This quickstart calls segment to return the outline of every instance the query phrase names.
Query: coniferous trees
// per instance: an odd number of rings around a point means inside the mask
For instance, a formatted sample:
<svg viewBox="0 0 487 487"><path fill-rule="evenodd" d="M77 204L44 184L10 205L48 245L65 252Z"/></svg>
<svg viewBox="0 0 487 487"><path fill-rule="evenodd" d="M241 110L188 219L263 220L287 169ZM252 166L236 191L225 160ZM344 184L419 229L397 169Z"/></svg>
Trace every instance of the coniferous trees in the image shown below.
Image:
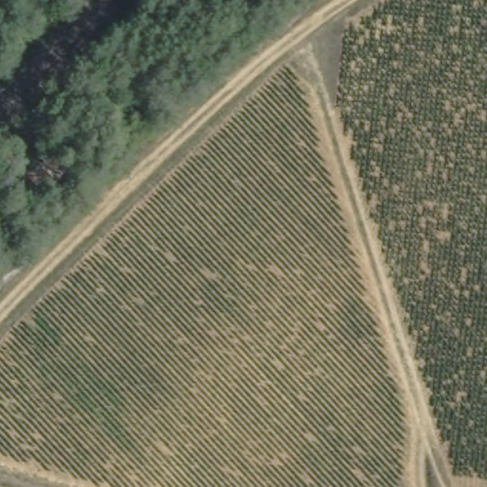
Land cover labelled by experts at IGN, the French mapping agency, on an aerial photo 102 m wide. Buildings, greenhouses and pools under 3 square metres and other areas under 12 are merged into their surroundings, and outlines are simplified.
<svg viewBox="0 0 487 487"><path fill-rule="evenodd" d="M82 219L103 200L105 192L118 181L129 177L135 166L154 150L154 146L160 145L196 108L202 107L213 93L223 88L230 76L234 76L240 68L245 67L274 40L282 38L285 32L301 25L302 21L318 10L325 0L145 0L139 6L139 15L131 17L127 23L120 23L118 27L114 27L112 34L105 36L103 44L89 42L84 48L84 57L67 61L65 70L57 72L55 80L46 82L46 91L40 97L42 101L32 101L32 107L25 120L21 116L10 118L8 112L0 116L0 278L13 268L21 268L27 272L44 255L48 255L76 224L82 223Z"/></svg>
<svg viewBox="0 0 487 487"><path fill-rule="evenodd" d="M27 44L40 38L48 25L44 10L36 0L0 0L0 80L11 78L13 68L19 65Z"/></svg>
<svg viewBox="0 0 487 487"><path fill-rule="evenodd" d="M65 19L74 21L80 11L88 8L88 0L63 0L68 6L68 15Z"/></svg>

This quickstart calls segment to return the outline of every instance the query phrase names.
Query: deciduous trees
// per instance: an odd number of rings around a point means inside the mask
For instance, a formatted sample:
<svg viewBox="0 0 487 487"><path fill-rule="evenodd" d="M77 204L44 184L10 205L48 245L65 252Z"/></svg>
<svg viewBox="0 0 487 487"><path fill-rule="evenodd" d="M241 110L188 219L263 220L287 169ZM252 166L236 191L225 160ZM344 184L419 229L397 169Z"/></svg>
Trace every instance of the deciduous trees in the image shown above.
<svg viewBox="0 0 487 487"><path fill-rule="evenodd" d="M48 25L55 19L65 19L68 15L68 6L63 0L36 0L44 10Z"/></svg>

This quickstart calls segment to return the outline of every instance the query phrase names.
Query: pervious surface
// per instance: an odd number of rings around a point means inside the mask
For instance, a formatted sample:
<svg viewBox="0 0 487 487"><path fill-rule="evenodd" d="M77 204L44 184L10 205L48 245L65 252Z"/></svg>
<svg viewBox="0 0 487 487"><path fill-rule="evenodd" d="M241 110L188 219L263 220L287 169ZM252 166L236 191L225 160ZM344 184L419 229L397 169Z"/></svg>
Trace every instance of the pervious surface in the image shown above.
<svg viewBox="0 0 487 487"><path fill-rule="evenodd" d="M95 230L95 226L107 217L110 211L116 209L116 205L126 198L129 192L133 192L141 185L150 173L154 173L156 167L204 126L215 112L219 112L230 99L234 99L240 89L245 88L257 74L261 74L268 65L272 65L285 51L299 44L325 21L337 17L341 11L348 10L352 4L350 0L325 0L318 10L302 21L301 25L285 32L282 38L274 40L245 67L240 68L234 76L230 76L223 88L213 93L202 107L196 108L160 145L154 146L154 150L135 166L129 177L118 181L105 192L103 200L82 219L82 223L76 224L48 255L44 255L27 272L27 276L0 301L0 323L57 264L67 257L68 253L72 253L72 249L78 243L88 238Z"/></svg>

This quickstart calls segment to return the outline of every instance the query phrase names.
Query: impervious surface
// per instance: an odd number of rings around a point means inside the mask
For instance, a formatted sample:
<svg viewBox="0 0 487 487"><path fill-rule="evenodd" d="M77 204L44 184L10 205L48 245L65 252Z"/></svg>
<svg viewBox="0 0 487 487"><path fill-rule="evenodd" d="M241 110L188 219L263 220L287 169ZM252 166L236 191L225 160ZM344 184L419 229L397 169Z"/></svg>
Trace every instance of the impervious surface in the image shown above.
<svg viewBox="0 0 487 487"><path fill-rule="evenodd" d="M88 8L80 11L74 21L65 19L55 19L48 25L40 38L27 44L19 65L13 68L11 78L0 80L0 116L8 112L10 118L21 116L25 120L32 107L32 101L42 101L40 97L46 91L46 82L55 80L57 72L65 70L67 61L84 57L84 48L89 42L103 44L105 36L112 34L114 27L118 27L120 23L127 23L131 17L139 15L139 6L145 0L88 0Z"/></svg>

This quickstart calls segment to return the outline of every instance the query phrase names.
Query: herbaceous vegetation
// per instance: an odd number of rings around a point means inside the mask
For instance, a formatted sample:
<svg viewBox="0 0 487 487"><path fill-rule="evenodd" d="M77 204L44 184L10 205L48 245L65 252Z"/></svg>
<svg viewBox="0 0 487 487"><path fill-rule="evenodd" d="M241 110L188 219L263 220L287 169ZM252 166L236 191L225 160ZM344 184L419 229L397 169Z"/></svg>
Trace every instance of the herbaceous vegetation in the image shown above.
<svg viewBox="0 0 487 487"><path fill-rule="evenodd" d="M116 209L110 211L107 217L95 226L95 230L88 238L78 243L72 249L72 253L68 253L67 257L57 264L0 323L0 346L11 341L11 333L21 323L27 323L29 327L36 323L34 310L40 306L36 302L38 297L46 287L59 280L65 268L70 268L76 263L91 245L97 243L105 230L126 215L127 209L137 200L143 200L148 204L154 198L154 194L160 188L164 188L169 181L173 181L173 177L179 171L183 171L183 167L186 167L194 156L202 156L207 143L217 133L221 133L224 127L232 122L232 118L240 116L245 105L259 97L264 89L272 84L274 76L278 76L283 68L289 68L297 78L297 86L306 95L304 99L308 101L308 107L312 112L312 124L316 126L318 133L318 152L323 156L325 167L333 181L333 190L337 194L337 202L341 205L344 226L348 228L350 247L354 249L356 261L360 264L361 282L365 285L361 301L371 308L375 320L379 321L377 331L382 335L384 354L388 356L390 363L388 375L396 380L401 392L399 401L405 411L405 426L409 428L409 447L401 458L403 476L399 481L399 487L487 487L487 479L453 474L453 466L449 460L449 445L447 441L441 441L439 438L436 419L432 417L428 403L430 390L424 386L420 377L419 371L424 367L424 360L415 360L415 341L409 339L407 329L403 327L403 308L399 304L398 293L392 285L392 280L388 278L384 255L380 251L377 236L379 226L369 219L369 213L377 209L379 202L377 196L373 196L371 200L363 198L358 167L350 158L352 131L342 131L341 114L331 101L331 95L337 91L341 82L339 70L342 36L348 34L350 27L354 27L363 32L358 36L358 44L365 44L369 40L369 29L361 23L361 19L373 13L373 4L369 0L350 0L352 4L348 10L341 11L337 17L325 21L299 44L285 51L272 65L268 65L261 74L257 74L245 88L240 89L234 99L230 99L219 112L215 112L204 126L156 167L154 173L150 173L141 185L133 192L129 192L126 198L116 205Z"/></svg>
<svg viewBox="0 0 487 487"><path fill-rule="evenodd" d="M108 487L107 483L93 485L91 481L78 479L68 472L48 472L34 460L19 462L0 455L0 487Z"/></svg>
<svg viewBox="0 0 487 487"><path fill-rule="evenodd" d="M0 278L0 301L27 276L27 272L21 268L13 268Z"/></svg>

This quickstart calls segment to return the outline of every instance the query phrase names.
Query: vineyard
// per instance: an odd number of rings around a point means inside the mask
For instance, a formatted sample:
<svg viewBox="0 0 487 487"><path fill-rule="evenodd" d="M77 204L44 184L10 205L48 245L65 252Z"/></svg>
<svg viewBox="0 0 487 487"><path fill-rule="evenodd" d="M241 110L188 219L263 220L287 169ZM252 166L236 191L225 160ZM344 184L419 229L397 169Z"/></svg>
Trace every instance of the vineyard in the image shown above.
<svg viewBox="0 0 487 487"><path fill-rule="evenodd" d="M449 460L453 466L453 474L487 479L487 0L369 0L373 4L373 13L361 19L361 23L369 29L369 40L365 44L358 44L358 36L363 32L354 27L350 27L348 34L342 36L339 70L341 82L337 91L331 95L331 101L341 114L342 131L352 131L350 158L358 167L363 198L371 200L373 196L377 196L379 202L377 209L369 213L369 219L379 226L377 236L380 251L384 255L388 278L392 280L392 285L398 293L399 304L403 308L403 327L407 329L409 339L415 341L415 360L424 360L424 367L419 371L420 377L424 386L430 390L428 403L432 417L436 419L439 438L441 441L447 441L449 445Z"/></svg>
<svg viewBox="0 0 487 487"><path fill-rule="evenodd" d="M289 68L283 68L278 76L274 76L272 84L264 89L259 97L245 105L240 116L232 118L232 122L224 127L221 133L217 133L207 143L202 156L194 156L186 167L183 167L183 171L179 171L173 177L173 181L169 181L164 188L160 188L154 194L154 198L148 204L143 200L137 200L127 209L126 215L105 230L97 243L91 245L76 263L70 268L65 268L59 280L46 287L38 297L36 302L40 306L34 310L36 323L29 327L27 323L21 323L11 333L11 341L0 346L0 455L19 462L34 460L48 472L68 472L78 479L91 481L93 485L107 483L108 487L399 487L399 481L403 476L401 458L409 447L409 428L405 426L405 411L399 401L401 392L396 380L388 375L390 363L388 356L384 354L382 335L377 331L379 321L375 320L371 308L361 301L365 285L361 282L360 264L356 261L354 249L350 247L348 228L344 226L341 205L337 202L337 194L333 190L333 181L325 167L323 156L318 152L318 133L316 126L312 124L312 112L308 107L308 101L304 99L306 95L297 86L297 78Z"/></svg>

